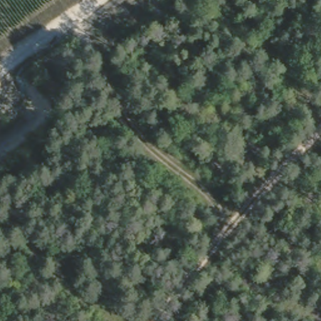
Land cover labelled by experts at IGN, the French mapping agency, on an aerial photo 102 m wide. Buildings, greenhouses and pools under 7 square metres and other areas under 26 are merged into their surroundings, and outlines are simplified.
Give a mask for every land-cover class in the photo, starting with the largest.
<instances>
[{"label":"coniferous trees","instance_id":"1","mask_svg":"<svg viewBox=\"0 0 321 321\"><path fill-rule=\"evenodd\" d=\"M219 14L217 18L209 19L197 13V5L187 8L183 0H108L95 9L93 18L73 20L74 31L68 29L61 33L59 29H55L58 33L49 43L44 44L43 49L29 55L4 75L0 74V286L15 287L18 290L20 283L15 281L18 275L16 260L21 256L26 258L31 271L34 268L43 270L44 277H51L55 273L60 280L59 285H44V293H38L31 298H20L18 302H11L8 295L0 297V321H321V79L313 83L312 80L305 79L301 90L286 89L283 92L286 102H281L280 105L272 103L271 88L282 82L286 71L282 61L292 59L295 51V48L285 43L290 36L286 30L293 24V20H285L282 15L277 14L276 0H216ZM266 19L273 20L275 29L261 44L255 36H251V33L252 30L260 31V26ZM135 49H143L144 53L138 56V66L134 69L135 76L130 78L118 69L117 64L122 63L125 55L133 53ZM227 73L228 78L233 79L237 87L242 85L243 89L247 90L238 102L218 103L214 108H204L193 103L192 98H184L179 102L174 93L192 79L198 88L206 84L213 93H216L222 76H226ZM177 108L197 114L201 123H209L206 128L208 140L204 142L201 137L196 139L199 145L193 148L196 154L194 157H187L179 152L181 142H177L173 129L178 125V119L168 118V109ZM100 138L117 140L120 157L113 160L102 159V153L98 150ZM152 166L159 169L160 173L168 169L172 174H176L184 183V187L193 188L197 184L203 191L206 204L196 206L189 204L186 198L174 197L166 184L160 183L157 187L147 188L149 168ZM85 168H88V177L95 188V199H89L87 202H84V198H75L73 192L66 194L68 189L74 188L76 178L82 176L80 169ZM271 174L278 177L280 182L273 184L272 189L268 191L270 196L260 199L253 197V192L265 184ZM234 212L243 214L245 218L238 222L228 236L218 237V232Z\"/></svg>","mask_w":321,"mask_h":321},{"label":"deciduous trees","instance_id":"2","mask_svg":"<svg viewBox=\"0 0 321 321\"><path fill-rule=\"evenodd\" d=\"M187 8L197 5V13L209 19L217 18L219 14L216 0H183ZM277 14L282 15L285 20H293V24L286 30L290 36L285 43L295 48V51L292 59L282 61L286 71L282 82L271 88L272 103L280 105L281 102H286L283 92L286 89L301 90L305 79L312 80L313 83L321 79V0H276ZM275 29L273 20L266 19L260 26V31L252 30L251 33V36H255L261 44ZM144 53L143 49H135L133 53L125 55L122 63L117 64L118 69L130 78L135 76L134 69L138 66V56ZM247 90L243 89L242 85L237 87L233 79L228 78L227 73L226 76H222L216 93H213L206 84L198 88L192 79L174 93L179 102L184 98H192L193 103L204 108H214L218 103L238 102ZM178 119V125L173 129L177 142H181L179 152L187 157H194L196 154L193 148L199 145L196 139L201 137L204 142L208 140L206 128L209 123H201L197 114L177 108L168 109V118ZM117 140L100 138L98 150L102 153V159L113 160L120 157ZM160 183L166 184L174 197L186 198L189 204L196 206L206 204L203 191L197 184L193 188L184 187V183L176 174H172L168 169L160 173L159 169L152 166L149 168L147 188L157 187ZM82 176L76 178L74 188L68 189L66 194L73 192L75 198H84V202H87L89 199H95V188L88 177V168H85L80 169ZM18 275L15 281L20 283L18 290L15 287L0 286V297L8 295L11 302H18L20 298H31L38 293H44V285H59L60 280L55 273L51 277H44L43 270L34 268L31 271L26 258L21 256L16 260Z\"/></svg>","mask_w":321,"mask_h":321},{"label":"pervious surface","instance_id":"3","mask_svg":"<svg viewBox=\"0 0 321 321\"><path fill-rule=\"evenodd\" d=\"M108 0H82L61 13L58 18L51 20L46 24V28L29 36L23 43L14 45L9 56L0 55V74L4 75L29 55L43 49L44 44L49 43L58 33L55 29H59L61 33L68 29L74 31L73 20L93 18L95 9ZM280 182L278 177L271 174L265 184L253 192V197L260 199L270 196L268 191L272 189L273 184ZM245 218L243 214L234 212L218 232V237L228 236L238 222Z\"/></svg>","mask_w":321,"mask_h":321},{"label":"vineyard","instance_id":"4","mask_svg":"<svg viewBox=\"0 0 321 321\"><path fill-rule=\"evenodd\" d=\"M82 0H0V55L9 56L14 45L23 43L29 36L46 28V24L51 20L58 18L61 13Z\"/></svg>","mask_w":321,"mask_h":321}]
</instances>
